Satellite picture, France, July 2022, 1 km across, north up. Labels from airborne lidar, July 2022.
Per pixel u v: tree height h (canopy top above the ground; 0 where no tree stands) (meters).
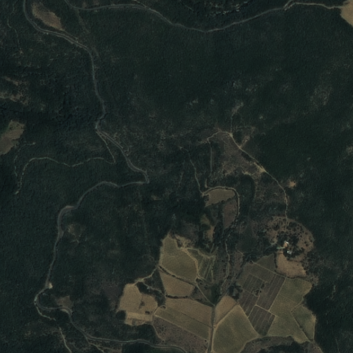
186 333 0
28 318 6
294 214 6
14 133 0
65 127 7
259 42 5
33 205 7
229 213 0
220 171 0
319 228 6
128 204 7
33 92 5
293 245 5
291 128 7
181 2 9
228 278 6
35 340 6
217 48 6
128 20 6
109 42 6
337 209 6
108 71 5
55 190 6
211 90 8
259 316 0
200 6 22
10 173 9
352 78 6
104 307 6
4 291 6
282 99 6
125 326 6
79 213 9
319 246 7
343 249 6
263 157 6
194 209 8
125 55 5
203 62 6
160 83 6
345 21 7
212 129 7
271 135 6
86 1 6
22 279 6
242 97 6
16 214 6
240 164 0
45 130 7
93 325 8
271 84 7
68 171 7
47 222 6
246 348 0
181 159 8
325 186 11
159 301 6
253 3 13
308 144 8
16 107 18
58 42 6
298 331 0
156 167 7
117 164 8
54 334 7
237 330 0
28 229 6
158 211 7
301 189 7
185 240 0
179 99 7
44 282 6
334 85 8
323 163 9
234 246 6
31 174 6
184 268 0
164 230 8
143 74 7
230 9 12
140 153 6
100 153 6
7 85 8
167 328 0
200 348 0
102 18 6
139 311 0
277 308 0
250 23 6
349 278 6
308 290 0
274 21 5
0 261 6
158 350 0
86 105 7
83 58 6
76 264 6
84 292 5
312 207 8
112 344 7
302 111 5
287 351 6
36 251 7
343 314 6
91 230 6
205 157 6
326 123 7
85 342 6
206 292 0
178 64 6
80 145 6
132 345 7
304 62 6
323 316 14
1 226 7
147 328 7
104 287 0
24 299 6
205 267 0
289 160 6
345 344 7
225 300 0
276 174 6
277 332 0
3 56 8
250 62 6
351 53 6
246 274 0
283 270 0
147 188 11
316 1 5
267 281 0
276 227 7
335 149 7
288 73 7
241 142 8
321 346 6
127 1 7
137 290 0
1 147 0
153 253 7
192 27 6
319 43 5
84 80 7
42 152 6
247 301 0
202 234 6
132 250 7
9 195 10
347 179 5
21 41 7
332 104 7
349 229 7
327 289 7
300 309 0
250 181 7
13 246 5
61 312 11
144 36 6
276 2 12
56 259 7
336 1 6
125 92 6
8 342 6
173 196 7
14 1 7
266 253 6
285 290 0
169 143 6
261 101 6
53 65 7
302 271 0
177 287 0
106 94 6
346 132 7
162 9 6
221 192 0
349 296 9
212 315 0
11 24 6
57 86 17
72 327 7
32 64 7
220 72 7
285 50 7
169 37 5
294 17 6
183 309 0
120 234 7
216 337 0
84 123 7
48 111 14
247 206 8
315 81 5
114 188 11
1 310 6
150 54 7
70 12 6
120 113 6
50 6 6
